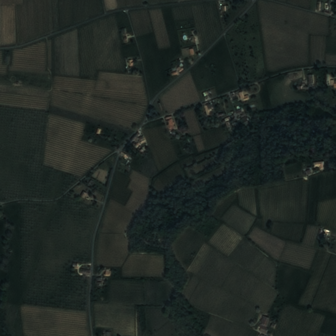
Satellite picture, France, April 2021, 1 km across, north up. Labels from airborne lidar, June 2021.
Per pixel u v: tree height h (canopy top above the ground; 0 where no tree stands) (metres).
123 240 0
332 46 0
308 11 0
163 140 0
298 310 0
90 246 0
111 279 0
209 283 0
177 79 0
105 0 0
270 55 0
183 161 0
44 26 0
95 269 0
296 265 0
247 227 0
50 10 0
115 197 0
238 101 16
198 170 0
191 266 0
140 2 0
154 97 0
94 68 0
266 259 0
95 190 12
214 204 21
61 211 9
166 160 0
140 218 21
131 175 0
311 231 0
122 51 0
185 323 16
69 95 0
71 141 0
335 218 0
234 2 11
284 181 18
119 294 0
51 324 0
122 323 0
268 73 0
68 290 8
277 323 10
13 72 0
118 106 0
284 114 17
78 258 12
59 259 8
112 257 0
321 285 0
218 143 0
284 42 0
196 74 0
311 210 0
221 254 0
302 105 11
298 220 0
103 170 0
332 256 0
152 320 0
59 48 0
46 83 0
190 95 0
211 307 0
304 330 0
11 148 6
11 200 10
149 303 0
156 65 0
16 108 9
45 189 8
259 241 0
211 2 0
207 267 0
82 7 0
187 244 0
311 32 0
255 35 0
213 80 0
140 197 0
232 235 0
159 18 0
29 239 7
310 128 23
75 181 10
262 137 16
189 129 0
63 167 0
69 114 0
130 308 0
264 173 9
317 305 0
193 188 17
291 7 0
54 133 0
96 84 0
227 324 0
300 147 18
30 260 7
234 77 0
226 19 7
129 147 12
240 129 19
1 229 0
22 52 0
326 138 25
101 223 0
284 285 0
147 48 0
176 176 0
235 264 0
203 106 14
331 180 0
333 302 0
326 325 0
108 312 0
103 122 0
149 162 0
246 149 15
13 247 0
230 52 0
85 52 0
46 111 10
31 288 8
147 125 0
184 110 11
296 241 0
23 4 0
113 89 0
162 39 0
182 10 0
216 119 14
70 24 0
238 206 0
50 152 0
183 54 0
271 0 0
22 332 0
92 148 0
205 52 0
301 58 0
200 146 0
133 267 0
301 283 0
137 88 0
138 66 0
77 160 0
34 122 10
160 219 15
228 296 0
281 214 0
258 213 0
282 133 24
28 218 10
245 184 17
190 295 0
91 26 0
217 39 0
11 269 0
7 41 0
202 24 0
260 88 0
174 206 15
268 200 0
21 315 0
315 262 0
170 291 0
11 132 9
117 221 0
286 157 23
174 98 0
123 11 0
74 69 0
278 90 0
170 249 17
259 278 0
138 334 0
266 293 0
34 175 8
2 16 0
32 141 7
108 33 0
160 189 0
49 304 10
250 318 0
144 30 0
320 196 0
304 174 13
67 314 0
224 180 11
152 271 0
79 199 14
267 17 0
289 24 0
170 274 21
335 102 0
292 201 0
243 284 0
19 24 0
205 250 0
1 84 0
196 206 23
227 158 22
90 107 0
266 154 24
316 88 0
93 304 0
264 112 9
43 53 0
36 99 0
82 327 0
